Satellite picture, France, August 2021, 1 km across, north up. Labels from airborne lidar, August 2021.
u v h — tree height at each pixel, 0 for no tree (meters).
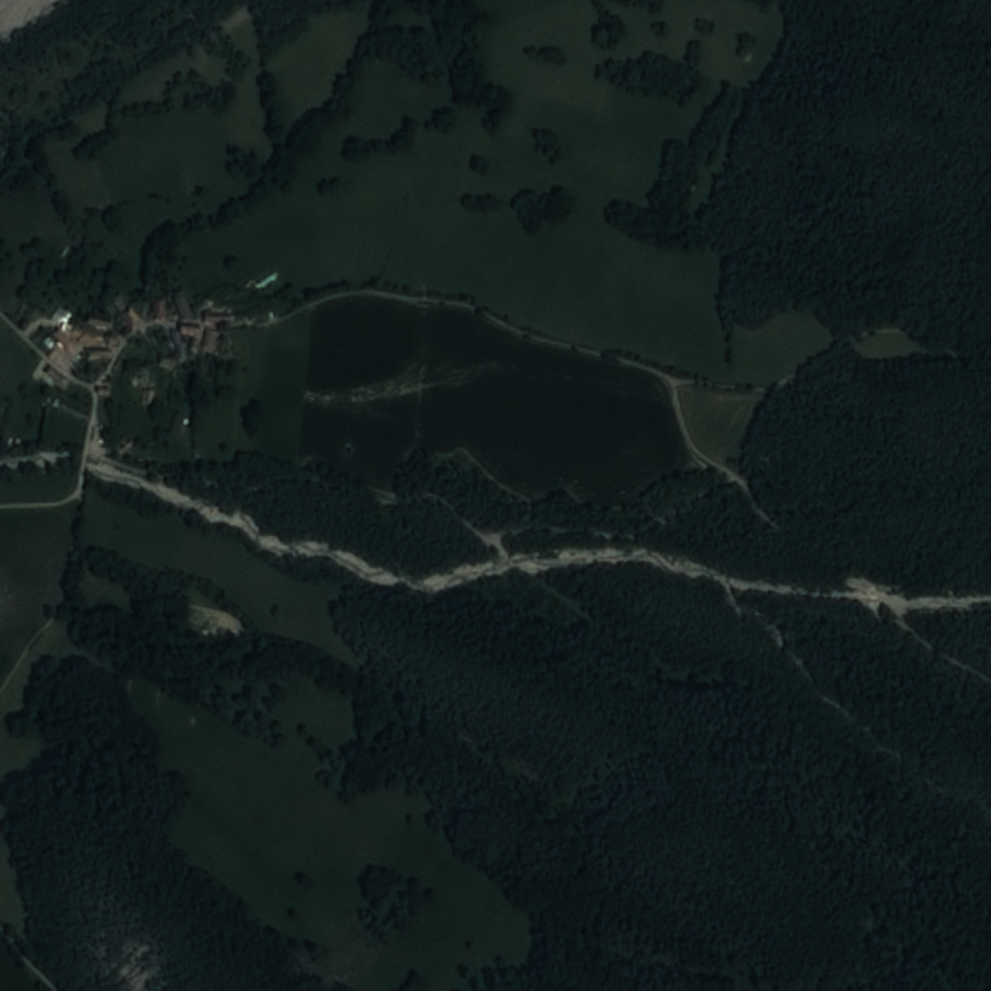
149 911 11
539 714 17
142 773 27
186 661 19
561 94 0
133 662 18
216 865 0
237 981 15
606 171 0
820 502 18
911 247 19
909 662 13
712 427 0
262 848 0
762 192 19
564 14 0
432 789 12
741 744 19
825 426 19
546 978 25
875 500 21
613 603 13
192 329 0
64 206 16
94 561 15
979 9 15
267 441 0
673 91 14
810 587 7
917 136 15
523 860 20
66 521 0
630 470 0
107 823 29
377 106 0
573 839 24
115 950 8
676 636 13
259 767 0
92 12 7
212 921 24
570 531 18
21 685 0
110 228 12
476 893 0
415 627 18
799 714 17
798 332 0
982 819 15
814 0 18
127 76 12
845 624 13
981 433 17
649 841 19
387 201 0
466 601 24
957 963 21
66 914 10
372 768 20
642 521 8
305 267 0
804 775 23
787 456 17
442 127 15
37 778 25
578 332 0
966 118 22
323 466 10
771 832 16
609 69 12
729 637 11
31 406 0
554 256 0
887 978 21
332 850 0
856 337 12
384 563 14
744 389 12
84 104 13
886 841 22
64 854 18
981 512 19
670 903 21
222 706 13
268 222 0
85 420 7
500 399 0
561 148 7
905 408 16
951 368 26
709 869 22
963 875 25
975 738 20
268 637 12
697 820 21
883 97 22
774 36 0
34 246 12
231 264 13
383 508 10
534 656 16
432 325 0
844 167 27
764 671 14
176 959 14
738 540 16
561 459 0
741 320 11
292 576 15
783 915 24
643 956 27
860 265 28
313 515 12
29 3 0
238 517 0
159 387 0
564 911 28
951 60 18
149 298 10
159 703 0
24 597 0
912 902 23
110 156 0
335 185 12
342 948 0
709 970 30
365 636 12
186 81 10
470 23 14
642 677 30
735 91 13
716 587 7
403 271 0
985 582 15
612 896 26
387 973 0
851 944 23
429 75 12
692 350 0
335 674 19
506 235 0
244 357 0
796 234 24
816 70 31
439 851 0
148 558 0
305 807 0
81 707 26
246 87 0
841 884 24
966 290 26
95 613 20
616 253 0
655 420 0
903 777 15
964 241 16
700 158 16
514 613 19
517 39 0
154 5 8
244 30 0
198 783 0
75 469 15
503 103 22
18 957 15
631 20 0
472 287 0
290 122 0
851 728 14
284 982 21
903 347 0
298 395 0
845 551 15
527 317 0
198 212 6
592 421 0
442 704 15
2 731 0
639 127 0
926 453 15
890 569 17
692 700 34
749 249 19
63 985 16
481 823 30
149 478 10
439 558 15
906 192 16
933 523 17
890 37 22
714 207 14
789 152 20
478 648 20
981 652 12
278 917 0
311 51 0
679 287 0
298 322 0
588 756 16
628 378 0
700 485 15
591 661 29
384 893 20
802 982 14
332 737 0
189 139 0
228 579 0
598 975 31
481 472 10
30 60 10
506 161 0
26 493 0
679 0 0
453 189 0
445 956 0
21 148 9
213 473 19
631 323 0
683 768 21
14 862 12
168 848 26
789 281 26
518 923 0
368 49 11
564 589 14
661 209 16
